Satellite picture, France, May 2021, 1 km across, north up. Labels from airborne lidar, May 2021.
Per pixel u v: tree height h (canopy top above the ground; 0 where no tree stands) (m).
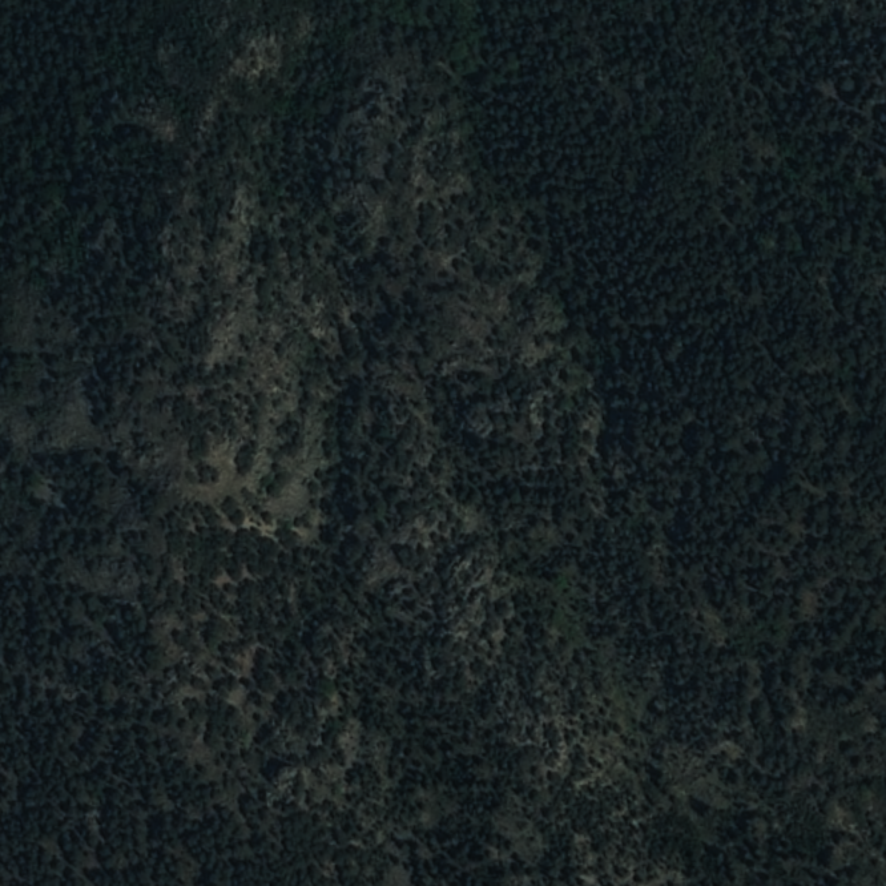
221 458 0
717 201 40
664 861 14
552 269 27
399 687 28
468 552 19
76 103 23
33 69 41
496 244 21
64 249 5
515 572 17
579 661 6
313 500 13
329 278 11
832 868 30
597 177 34
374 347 9
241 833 19
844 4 14
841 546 29
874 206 31
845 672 17
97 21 35
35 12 31
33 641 22
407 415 16
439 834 7
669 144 17
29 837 27
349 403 22
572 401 26
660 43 31
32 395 0
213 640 27
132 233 17
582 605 10
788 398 24
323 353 31
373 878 8
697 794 0
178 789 23
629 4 9
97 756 29
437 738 24
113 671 23
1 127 7
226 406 22
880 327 18
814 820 9
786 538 25
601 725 19
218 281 25
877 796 7
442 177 26
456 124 12
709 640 18
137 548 9
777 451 20
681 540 28
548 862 8
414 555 18
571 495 21
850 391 28
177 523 15
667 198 33
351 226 17
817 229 34
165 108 6
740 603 19
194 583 28
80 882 28
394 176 21
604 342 29
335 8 36
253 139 25
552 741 12
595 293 32
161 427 0
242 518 24
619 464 9
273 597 27
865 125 29
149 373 12
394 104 20
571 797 17
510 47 30
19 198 26
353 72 24
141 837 26
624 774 10
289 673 33
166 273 11
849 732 6
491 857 30
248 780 25
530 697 14
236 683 28
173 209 19
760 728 21
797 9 10
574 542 23
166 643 0
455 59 27
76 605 31
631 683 16
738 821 8
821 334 31
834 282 18
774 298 26
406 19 18
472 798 8
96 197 20
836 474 22
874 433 30
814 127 28
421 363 27
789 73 39
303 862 21
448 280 15
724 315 33
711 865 6
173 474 0
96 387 18
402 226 16
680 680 18
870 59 38
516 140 16
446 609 14
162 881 29
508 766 12
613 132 26
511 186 37
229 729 17
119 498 0
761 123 18
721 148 10
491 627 17
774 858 7
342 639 19
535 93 38
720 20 29
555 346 10
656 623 7
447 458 16
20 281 10
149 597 12
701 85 10
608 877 10
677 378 28
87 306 25
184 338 14
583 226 35
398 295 26
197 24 7
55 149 19
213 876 23
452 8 18
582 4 10
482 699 6
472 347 9
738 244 35
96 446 0
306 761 10
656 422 42
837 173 15
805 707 8
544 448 15
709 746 9
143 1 38
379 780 12
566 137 30
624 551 11
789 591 34
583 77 14
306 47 10
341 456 24
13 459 12
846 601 14
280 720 7
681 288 38
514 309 12
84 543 23
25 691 24
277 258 33
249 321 0
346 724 18
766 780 20
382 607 11
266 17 7
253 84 6
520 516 6
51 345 7
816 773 17
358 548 28
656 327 16
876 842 7
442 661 11
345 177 25
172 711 16
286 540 28
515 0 34
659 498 19
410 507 13
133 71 7
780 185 37
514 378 22
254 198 10
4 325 26
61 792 31
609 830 8
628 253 33
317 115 7
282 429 16
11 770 14
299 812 18
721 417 25
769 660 22
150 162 8
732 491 21
